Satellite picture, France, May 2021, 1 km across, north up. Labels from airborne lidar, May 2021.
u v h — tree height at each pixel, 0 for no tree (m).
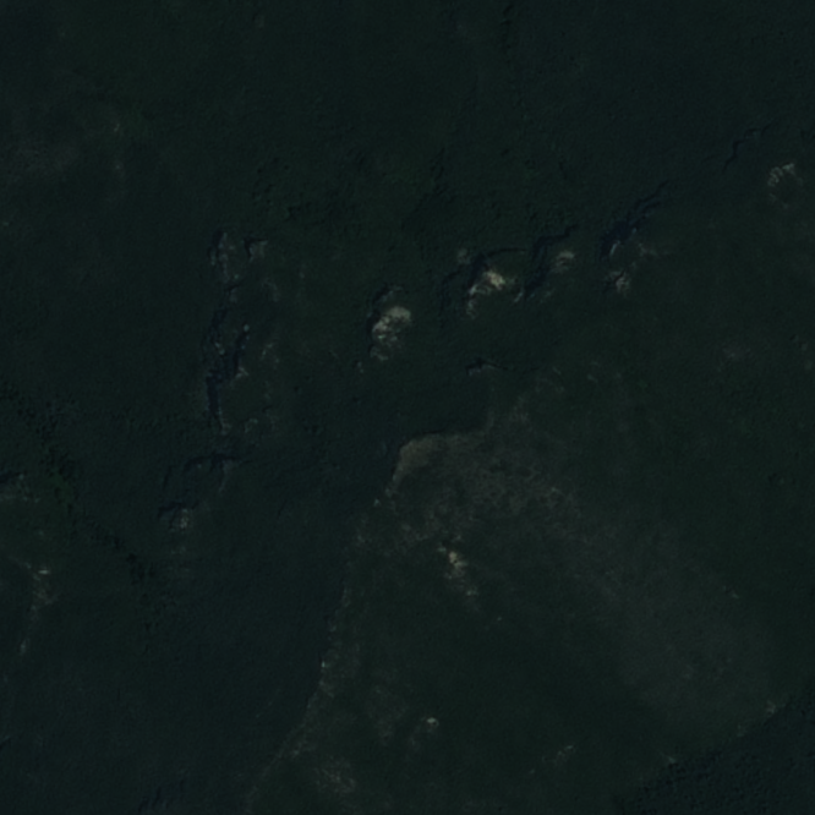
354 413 6
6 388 13
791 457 8
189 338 6
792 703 12
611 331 5
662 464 6
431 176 12
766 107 6
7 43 6
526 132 7
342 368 6
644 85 6
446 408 6
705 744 5
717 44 5
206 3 7
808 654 6
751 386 7
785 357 6
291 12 6
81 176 6
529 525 0
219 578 6
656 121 6
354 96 7
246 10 8
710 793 6
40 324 7
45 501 6
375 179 7
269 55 6
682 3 5
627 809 17
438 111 6
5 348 9
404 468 0
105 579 6
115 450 7
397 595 6
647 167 6
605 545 0
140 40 6
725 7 6
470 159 6
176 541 6
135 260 5
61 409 13
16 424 7
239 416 5
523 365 6
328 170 6
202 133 6
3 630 6
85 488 7
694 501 5
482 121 7
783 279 5
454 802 6
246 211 6
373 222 6
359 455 6
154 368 7
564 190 7
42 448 7
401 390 6
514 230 6
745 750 6
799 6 6
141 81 6
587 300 6
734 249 6
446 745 5
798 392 8
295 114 7
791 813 6
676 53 6
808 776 6
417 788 6
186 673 6
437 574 9
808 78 7
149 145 6
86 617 6
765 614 6
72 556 6
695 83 7
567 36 9
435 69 6
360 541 0
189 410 7
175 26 7
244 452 6
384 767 6
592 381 6
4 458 7
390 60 7
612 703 6
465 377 6
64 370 6
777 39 8
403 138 6
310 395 6
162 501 5
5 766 6
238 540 6
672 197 8
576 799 10
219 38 7
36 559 6
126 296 6
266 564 6
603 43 6
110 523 6
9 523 6
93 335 6
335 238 6
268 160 7
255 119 6
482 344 5
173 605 7
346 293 6
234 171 7
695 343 6
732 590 8
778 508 8
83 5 6
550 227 6
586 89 6
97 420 6
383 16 7
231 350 6
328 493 6
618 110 6
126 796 5
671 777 10
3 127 6
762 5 7
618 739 7
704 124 6
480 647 6
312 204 11
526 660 6
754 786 12
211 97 8
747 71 5
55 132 5
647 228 7
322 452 6
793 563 6
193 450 6
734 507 6
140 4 6
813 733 7
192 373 6
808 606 6
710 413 7
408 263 5
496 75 6
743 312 6
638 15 6
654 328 6
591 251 7
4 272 5
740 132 6
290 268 6
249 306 5
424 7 6
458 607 6
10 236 6
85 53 5
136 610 7
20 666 6
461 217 6
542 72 11
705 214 6
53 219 6
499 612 6
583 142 7
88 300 7
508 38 16
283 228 6
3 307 7
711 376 6
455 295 5
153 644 8
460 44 7
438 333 6
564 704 6
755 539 6
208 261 6
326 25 6
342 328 6
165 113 7
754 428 6
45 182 5
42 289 7
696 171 5
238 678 5
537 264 6
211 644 6
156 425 8
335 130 8
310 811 7
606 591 0
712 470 6
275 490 6
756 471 8
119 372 7
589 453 6
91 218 6
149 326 5
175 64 6
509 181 6
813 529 5
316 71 5
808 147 6
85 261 6
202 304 6
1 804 6
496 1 7
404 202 6
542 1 6
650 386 6
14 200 5
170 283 5
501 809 10
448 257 6
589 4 5
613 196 7
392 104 6
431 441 0
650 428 7
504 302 6
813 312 5
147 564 11
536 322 6
